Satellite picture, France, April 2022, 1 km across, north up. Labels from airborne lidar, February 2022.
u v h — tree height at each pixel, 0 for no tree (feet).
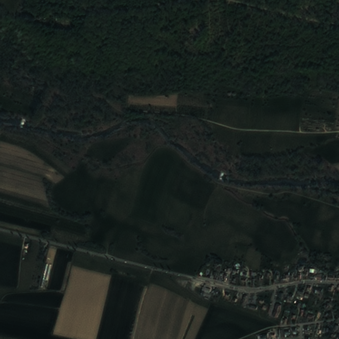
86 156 38
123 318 0
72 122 66
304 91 30
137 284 0
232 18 25
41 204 0
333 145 0
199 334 0
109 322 0
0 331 0
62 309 0
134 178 0
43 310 0
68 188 0
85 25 95
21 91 40
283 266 0
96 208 0
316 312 20
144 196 0
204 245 0
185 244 0
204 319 0
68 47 83
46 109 128
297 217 0
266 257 26
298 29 19
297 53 41
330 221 0
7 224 0
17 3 0
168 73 91
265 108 0
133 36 98
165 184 0
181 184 0
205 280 0
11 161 0
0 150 0
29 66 48
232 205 0
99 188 0
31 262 0
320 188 36
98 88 87
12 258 0
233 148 0
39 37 77
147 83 62
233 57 39
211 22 24
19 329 0
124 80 74
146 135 35
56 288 0
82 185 0
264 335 0
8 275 0
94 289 0
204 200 0
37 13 48
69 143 39
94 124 55
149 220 0
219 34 40
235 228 0
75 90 86
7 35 54
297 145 0
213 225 0
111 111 78
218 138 0
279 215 0
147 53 90
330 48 80
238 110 0
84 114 39
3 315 0
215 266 25
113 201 0
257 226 0
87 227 46
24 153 0
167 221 0
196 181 0
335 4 91
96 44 95
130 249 0
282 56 43
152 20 101
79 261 0
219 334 0
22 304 0
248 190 0
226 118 0
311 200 0
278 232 0
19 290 0
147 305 0
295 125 0
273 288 0
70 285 0
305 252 59
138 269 0
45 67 92
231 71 31
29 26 62
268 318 0
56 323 0
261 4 79
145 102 0
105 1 75
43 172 0
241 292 0
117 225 0
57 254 0
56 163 0
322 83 57
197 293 0
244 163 65
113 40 101
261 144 0
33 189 0
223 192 0
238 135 0
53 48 84
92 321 0
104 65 83
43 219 0
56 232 0
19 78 74
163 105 0
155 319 0
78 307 0
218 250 0
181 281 0
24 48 89
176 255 0
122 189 0
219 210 0
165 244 0
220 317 0
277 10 86
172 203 0
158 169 0
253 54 34
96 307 0
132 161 54
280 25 22
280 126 0
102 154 0
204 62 52
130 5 69
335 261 0
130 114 47
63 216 32
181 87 33
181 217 0
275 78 73
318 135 0
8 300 0
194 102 0
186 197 0
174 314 0
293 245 0
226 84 23
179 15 26
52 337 0
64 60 78
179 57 96
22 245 0
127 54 97
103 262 0
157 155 0
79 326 0
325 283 0
